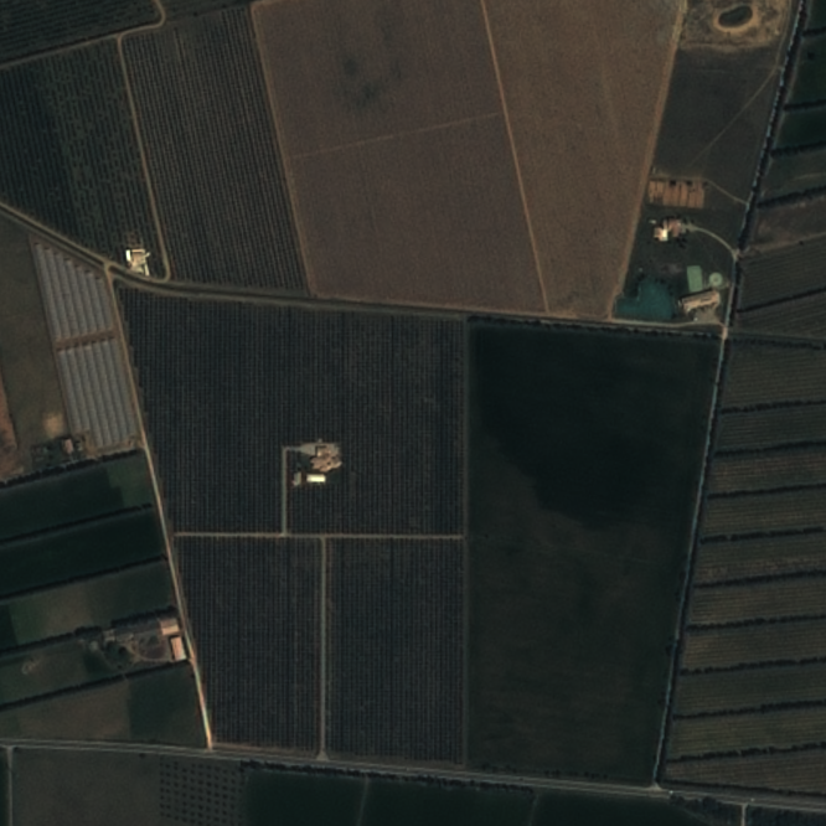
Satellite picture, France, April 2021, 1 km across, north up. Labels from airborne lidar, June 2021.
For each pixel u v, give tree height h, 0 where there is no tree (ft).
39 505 0
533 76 0
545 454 0
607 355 0
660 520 0
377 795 0
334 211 0
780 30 0
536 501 0
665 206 0
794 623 31
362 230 0
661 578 0
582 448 0
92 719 0
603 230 0
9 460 0
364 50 0
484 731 0
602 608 0
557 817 0
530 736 0
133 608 0
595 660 0
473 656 0
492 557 0
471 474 0
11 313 0
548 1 0
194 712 0
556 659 0
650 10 0
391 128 0
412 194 0
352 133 0
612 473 0
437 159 0
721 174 0
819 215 0
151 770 0
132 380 0
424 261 0
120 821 0
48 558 0
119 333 0
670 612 0
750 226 20
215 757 0
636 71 0
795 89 0
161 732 0
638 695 0
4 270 0
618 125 0
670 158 0
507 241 0
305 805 0
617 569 0
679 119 0
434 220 0
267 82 0
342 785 0
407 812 0
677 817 0
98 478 0
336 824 0
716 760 34
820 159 0
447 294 0
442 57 0
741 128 0
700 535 24
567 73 0
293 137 0
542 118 0
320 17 0
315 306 0
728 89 0
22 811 0
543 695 0
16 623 0
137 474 0
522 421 0
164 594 0
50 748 0
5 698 0
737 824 0
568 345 0
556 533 0
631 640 0
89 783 0
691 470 0
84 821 0
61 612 0
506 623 0
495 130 0
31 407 0
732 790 27
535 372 0
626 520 0
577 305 0
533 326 28
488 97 0
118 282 0
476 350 0
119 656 36
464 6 0
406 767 0
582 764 0
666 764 30
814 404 29
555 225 0
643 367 0
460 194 0
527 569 0
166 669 26
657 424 0
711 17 0
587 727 0
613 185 0
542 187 0
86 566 0
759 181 27
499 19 0
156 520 0
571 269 0
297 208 0
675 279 0
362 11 0
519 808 0
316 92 0
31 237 0
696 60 0
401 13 0
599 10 0
